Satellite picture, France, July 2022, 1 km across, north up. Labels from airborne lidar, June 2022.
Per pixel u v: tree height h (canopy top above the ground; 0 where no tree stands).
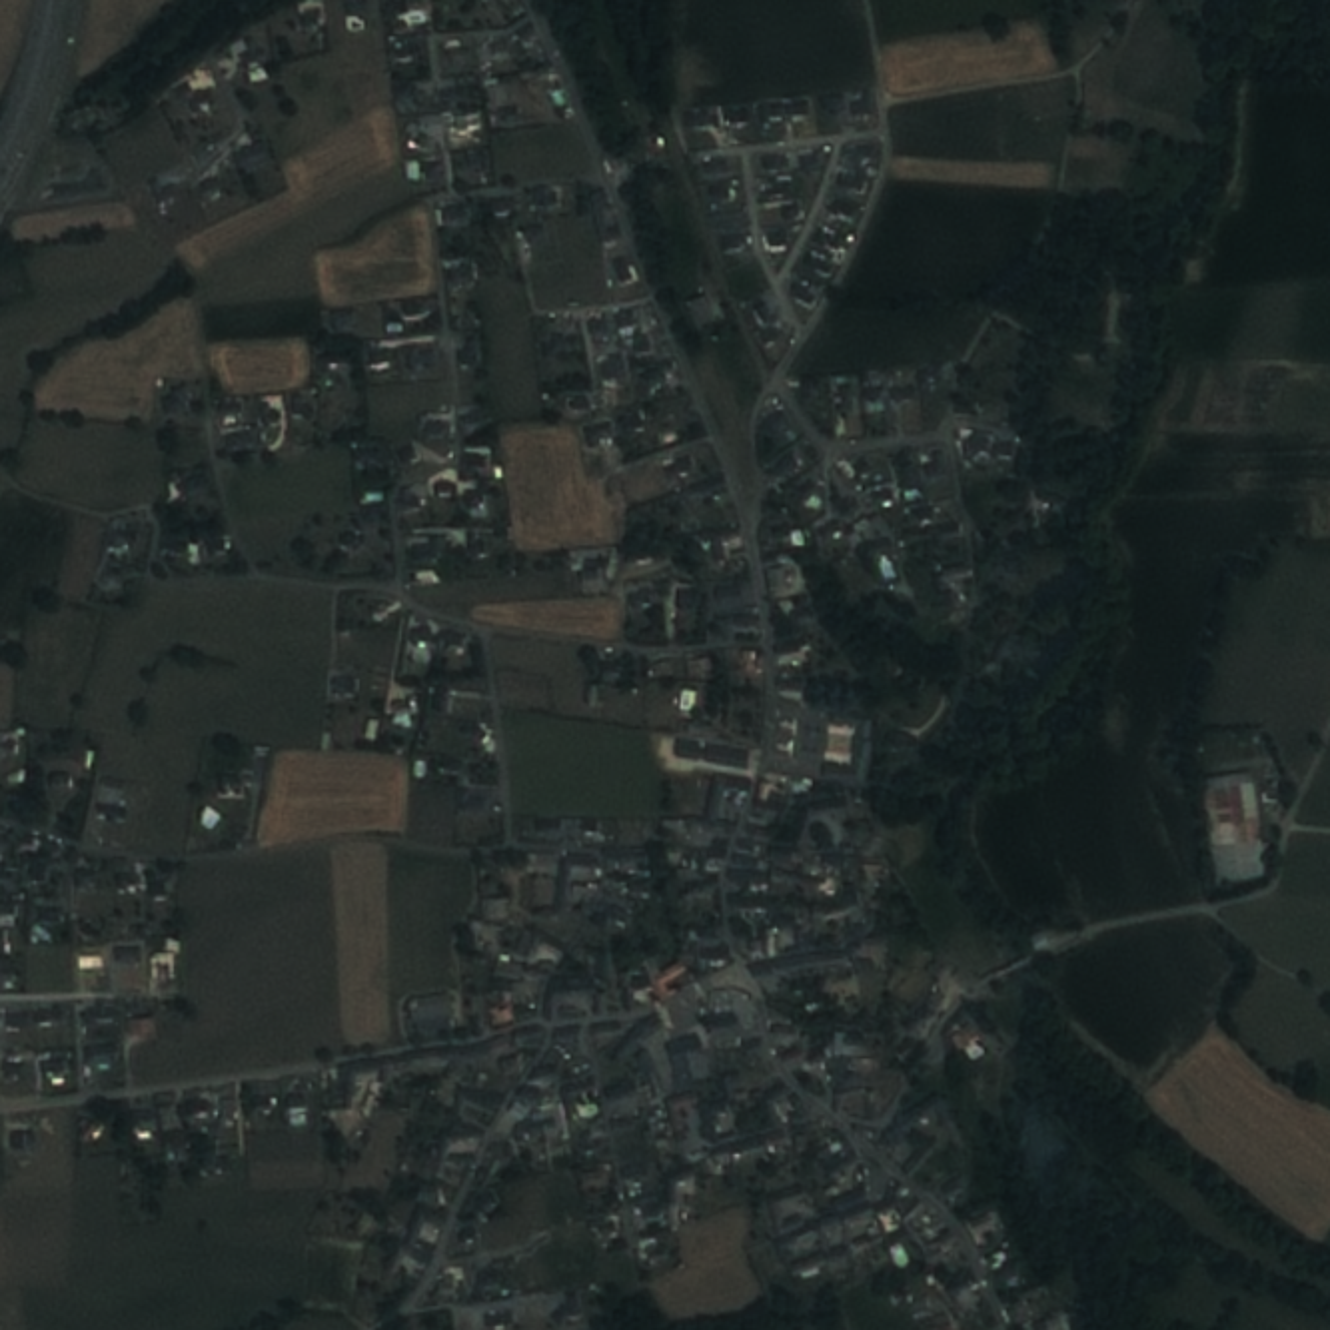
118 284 0
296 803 0
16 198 0
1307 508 0
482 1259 0
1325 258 0
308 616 0
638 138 13
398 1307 9
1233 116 15
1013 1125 10
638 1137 0
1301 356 0
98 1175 0
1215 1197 30
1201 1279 0
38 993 0
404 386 0
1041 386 18
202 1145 6
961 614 0
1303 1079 13
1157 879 0
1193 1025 0
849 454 0
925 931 6
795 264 0
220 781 0
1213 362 0
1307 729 0
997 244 0
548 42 0
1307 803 0
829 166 0
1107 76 0
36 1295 0
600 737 0
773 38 0
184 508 9
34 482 0
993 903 17
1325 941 0
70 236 10
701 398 0
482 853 9
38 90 0
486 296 0
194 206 0
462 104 6
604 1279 0
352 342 11
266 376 0
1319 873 0
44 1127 0
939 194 0
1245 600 0
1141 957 0
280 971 0
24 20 0
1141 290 21
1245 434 0
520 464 0
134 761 0
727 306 8
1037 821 0
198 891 0
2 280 0
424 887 0
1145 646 0
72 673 0
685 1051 0
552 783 0
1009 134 0
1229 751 0
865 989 0
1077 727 32
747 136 0
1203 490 0
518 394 0
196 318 0
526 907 0
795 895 6
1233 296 0
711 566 0
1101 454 24
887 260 0
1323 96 0
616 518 0
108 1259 0
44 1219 0
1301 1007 0
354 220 0
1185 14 7
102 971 0
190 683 0
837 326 0
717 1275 0
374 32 0
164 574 7
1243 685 0
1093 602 35
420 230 0
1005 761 29
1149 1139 25
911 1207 0
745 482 0
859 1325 0
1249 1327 0
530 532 0
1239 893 15
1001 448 0
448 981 0
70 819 12
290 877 0
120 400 0
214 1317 0
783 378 0
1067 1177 15
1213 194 22
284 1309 11
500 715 0
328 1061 7
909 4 0
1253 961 12
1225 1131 0
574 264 0
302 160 0
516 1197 0
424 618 0
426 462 0
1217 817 0
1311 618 0
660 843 9
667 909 6
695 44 0
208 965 0
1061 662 33
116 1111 9
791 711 0
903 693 8
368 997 0
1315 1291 18
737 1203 0
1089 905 0
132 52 7
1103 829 0
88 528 0
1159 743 0
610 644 0
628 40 11
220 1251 0
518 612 0
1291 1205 0
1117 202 21
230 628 0
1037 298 30
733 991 0
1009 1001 0
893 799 18
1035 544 19
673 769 0
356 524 6
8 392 0
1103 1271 25
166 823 0
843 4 0
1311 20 14
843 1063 0
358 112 0
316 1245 0
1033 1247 20
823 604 11
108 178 0
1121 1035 0
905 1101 7
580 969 6
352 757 0
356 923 0
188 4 8
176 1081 0
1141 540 0
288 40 7
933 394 0
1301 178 0
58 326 0
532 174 0
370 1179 0
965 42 0
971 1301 0
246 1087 9
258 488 0
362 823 0
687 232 0
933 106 0
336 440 10
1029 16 0
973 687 12
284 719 0
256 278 0
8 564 0
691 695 0
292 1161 0
